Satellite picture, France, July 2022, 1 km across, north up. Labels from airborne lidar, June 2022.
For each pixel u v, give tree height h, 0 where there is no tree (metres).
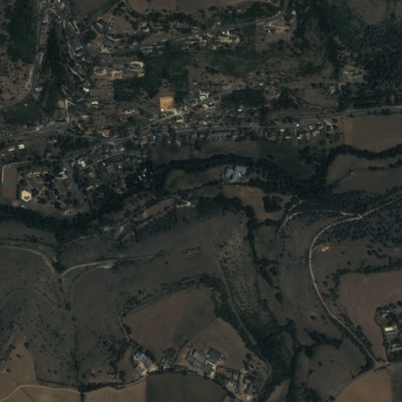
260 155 0
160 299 0
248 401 0
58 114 0
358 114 0
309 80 0
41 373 0
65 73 9
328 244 0
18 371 0
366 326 0
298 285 0
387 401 0
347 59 6
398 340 12
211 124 8
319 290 0
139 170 19
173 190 0
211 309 0
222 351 0
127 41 6
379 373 0
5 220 14
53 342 0
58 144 13
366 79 17
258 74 13
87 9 0
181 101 7
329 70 0
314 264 0
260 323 0
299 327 0
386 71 15
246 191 0
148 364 0
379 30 6
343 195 11
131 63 0
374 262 0
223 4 0
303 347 7
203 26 7
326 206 12
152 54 11
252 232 16
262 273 9
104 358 0
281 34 0
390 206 8
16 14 10
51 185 13
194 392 0
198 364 0
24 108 7
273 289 0
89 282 0
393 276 0
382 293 0
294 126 0
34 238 11
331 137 15
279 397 0
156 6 0
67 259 0
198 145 13
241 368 0
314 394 16
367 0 0
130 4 0
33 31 7
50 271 0
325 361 0
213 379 8
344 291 0
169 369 7
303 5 7
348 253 0
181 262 0
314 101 0
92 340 0
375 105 13
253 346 5
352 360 0
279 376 12
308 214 7
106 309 0
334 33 6
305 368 0
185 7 0
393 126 0
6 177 0
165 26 8
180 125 0
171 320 0
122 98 22
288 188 14
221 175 7
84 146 20
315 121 0
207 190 0
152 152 0
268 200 19
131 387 0
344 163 0
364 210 9
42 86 11
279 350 6
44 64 12
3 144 7
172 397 0
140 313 0
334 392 0
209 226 0
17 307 0
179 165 21
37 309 0
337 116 0
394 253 0
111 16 0
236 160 24
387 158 16
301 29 11
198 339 0
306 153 18
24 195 0
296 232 0
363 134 0
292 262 0
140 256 0
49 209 0
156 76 7
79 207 17
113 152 0
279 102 7
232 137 7
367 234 12
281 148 0
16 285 0
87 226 7
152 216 6
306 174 0
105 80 8
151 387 0
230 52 6
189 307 0
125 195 8
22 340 0
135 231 11
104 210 9
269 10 6
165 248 0
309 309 0
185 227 0
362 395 0
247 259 0
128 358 0
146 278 0
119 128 7
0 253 0
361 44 6
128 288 0
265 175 17
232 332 0
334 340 9
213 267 0
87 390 11
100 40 0
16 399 0
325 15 8
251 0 0
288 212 9
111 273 0
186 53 6
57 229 19
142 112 10
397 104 8
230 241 0
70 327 0
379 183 0
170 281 0
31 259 0
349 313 0
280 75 8
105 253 0
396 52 6
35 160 11
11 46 11
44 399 0
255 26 9
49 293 0
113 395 0
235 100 18
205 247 0
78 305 0
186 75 8
